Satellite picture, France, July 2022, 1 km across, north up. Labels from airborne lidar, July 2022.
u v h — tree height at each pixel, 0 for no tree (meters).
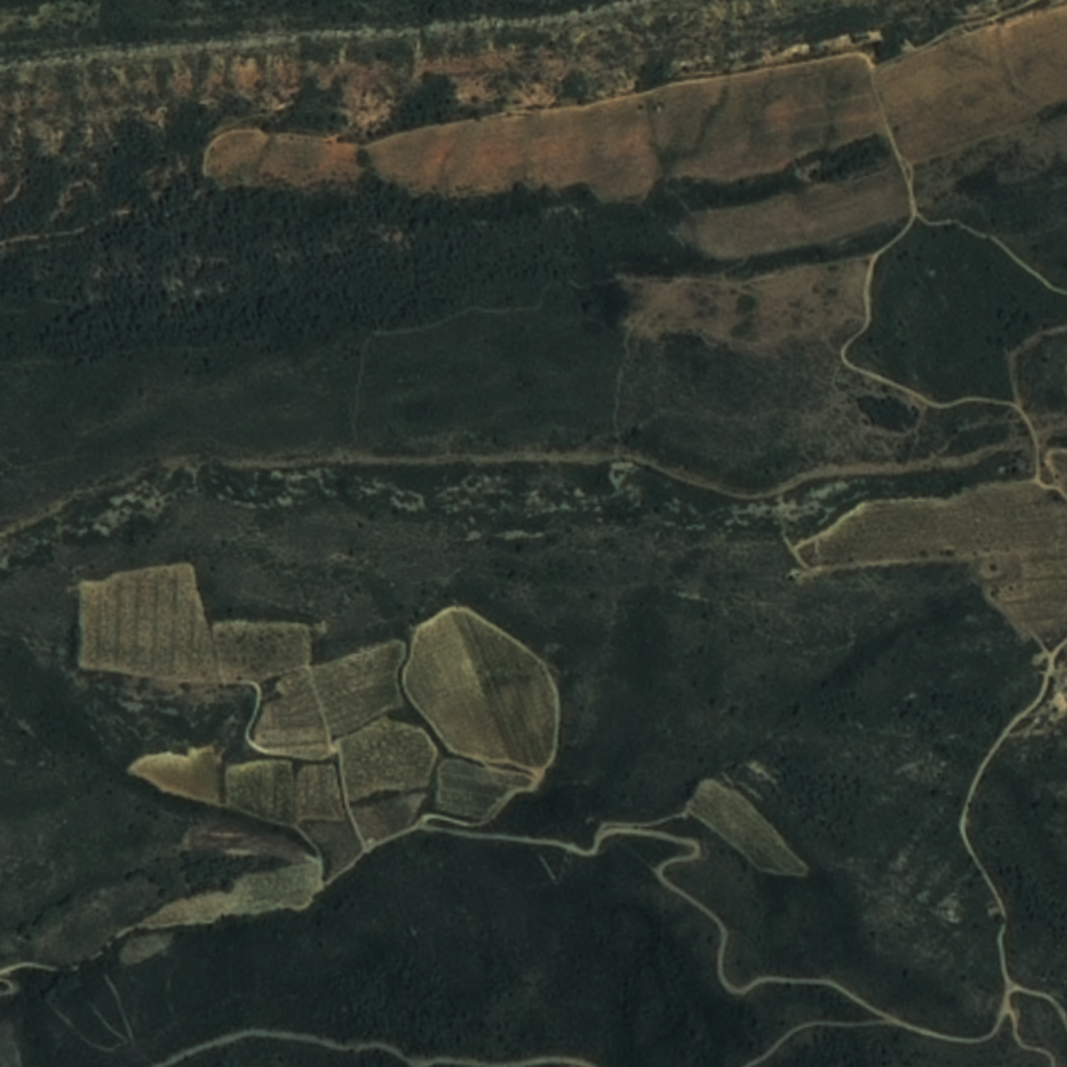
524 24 0
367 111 0
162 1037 0
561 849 0
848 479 0
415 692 0
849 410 0
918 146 0
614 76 0
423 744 0
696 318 0
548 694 0
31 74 0
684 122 0
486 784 0
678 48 0
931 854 0
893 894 0
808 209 0
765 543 0
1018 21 0
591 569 7
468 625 0
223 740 0
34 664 0
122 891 0
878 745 0
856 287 0
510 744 0
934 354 0
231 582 0
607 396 0
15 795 0
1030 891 12
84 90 0
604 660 0
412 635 0
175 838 0
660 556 0
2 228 7
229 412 0
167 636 0
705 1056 9
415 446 0
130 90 0
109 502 0
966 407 0
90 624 0
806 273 0
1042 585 0
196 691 0
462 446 0
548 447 0
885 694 0
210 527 0
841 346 0
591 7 0
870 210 0
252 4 6
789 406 0
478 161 0
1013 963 0
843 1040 8
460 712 0
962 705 7
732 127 0
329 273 7
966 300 0
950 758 10
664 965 7
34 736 0
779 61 0
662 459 0
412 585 0
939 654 0
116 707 0
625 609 0
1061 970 0
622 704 0
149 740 0
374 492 0
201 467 0
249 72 0
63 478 0
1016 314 6
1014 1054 0
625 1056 9
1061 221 0
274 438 0
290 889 0
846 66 0
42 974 6
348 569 0
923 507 0
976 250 0
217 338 9
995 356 0
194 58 0
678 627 0
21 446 0
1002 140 0
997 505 0
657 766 0
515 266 6
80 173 7
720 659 0
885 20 0
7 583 0
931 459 0
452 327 0
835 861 0
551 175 0
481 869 0
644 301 0
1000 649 0
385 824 0
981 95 0
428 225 11
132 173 8
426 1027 11
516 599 0
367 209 10
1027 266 0
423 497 0
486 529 0
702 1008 6
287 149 0
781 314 0
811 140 0
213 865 12
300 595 0
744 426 0
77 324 11
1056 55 0
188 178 11
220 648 0
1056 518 0
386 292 9
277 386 0
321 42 0
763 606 0
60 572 0
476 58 0
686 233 0
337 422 0
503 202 13
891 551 0
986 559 0
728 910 0
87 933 0
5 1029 0
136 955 0
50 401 0
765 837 0
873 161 7
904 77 0
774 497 0
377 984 7
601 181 0
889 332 0
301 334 8
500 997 8
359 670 0
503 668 0
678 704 0
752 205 0
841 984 0
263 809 0
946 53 0
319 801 0
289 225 10
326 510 0
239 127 0
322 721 0
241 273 6
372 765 0
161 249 7
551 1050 6
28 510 0
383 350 0
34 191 6
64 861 0
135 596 0
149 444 0
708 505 0
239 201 7
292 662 0
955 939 0
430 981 7
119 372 0
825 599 0
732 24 0
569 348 0
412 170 0
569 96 0
